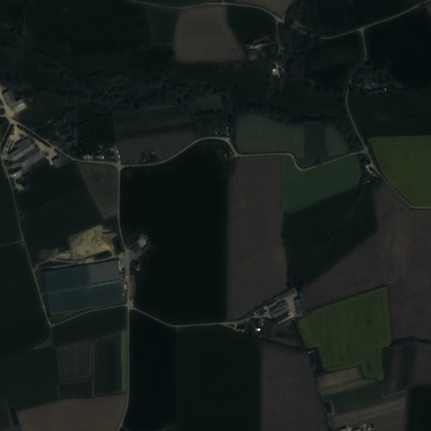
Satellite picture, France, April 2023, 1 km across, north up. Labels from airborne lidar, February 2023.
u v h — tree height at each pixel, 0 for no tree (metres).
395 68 0
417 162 0
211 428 0
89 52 0
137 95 8
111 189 0
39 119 0
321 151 0
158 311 0
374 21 0
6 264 0
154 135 0
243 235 0
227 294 0
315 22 0
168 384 0
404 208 0
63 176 0
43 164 0
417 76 0
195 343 0
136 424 0
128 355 0
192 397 0
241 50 0
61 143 11
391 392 0
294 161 0
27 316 0
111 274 0
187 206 0
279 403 0
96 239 0
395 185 0
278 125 0
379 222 0
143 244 0
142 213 0
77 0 0
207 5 0
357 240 0
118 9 0
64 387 0
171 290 0
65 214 0
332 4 0
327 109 0
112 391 0
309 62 0
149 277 0
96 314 0
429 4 0
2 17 0
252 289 0
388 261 0
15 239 0
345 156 0
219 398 0
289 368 0
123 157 0
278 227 0
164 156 0
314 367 7
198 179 0
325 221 0
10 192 0
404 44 0
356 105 0
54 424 0
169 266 0
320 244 0
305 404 0
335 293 0
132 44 0
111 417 0
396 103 0
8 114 0
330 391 0
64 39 0
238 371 0
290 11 16
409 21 0
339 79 0
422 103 0
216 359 0
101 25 0
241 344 0
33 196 0
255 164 0
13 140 0
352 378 0
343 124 6
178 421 0
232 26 0
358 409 0
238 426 0
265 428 0
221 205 0
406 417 0
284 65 0
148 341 0
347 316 0
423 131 0
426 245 0
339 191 0
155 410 0
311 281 0
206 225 0
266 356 0
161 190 0
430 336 0
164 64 0
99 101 11
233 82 0
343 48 0
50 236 0
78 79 10
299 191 0
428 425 0
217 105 0
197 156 0
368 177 7
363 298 0
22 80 16
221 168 0
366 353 0
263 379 0
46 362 0
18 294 0
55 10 0
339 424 0
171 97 11
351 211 0
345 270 0
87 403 0
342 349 0
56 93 7
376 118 0
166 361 0
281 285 0
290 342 0
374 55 0
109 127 0
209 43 0
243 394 0
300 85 11
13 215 0
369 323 0
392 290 0
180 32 0
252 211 0
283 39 0
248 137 0
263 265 0
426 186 0
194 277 0
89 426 0
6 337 0
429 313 0
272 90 13
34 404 0
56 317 0
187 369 0
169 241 0
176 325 0
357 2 0
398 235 0
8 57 0
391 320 0
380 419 0
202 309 0
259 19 0
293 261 0
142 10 0
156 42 0
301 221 0
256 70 0
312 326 0
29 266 0
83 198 0
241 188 0
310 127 0
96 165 0
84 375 0
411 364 0
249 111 7
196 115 8
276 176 0
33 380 0
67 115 12
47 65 11
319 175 0
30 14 0
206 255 0
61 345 0
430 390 0
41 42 0
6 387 0
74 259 0
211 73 0
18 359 0
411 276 0
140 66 0
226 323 0
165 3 0
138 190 0
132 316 0
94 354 0
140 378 0
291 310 0
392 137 0
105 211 0
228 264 0
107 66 0
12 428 0
